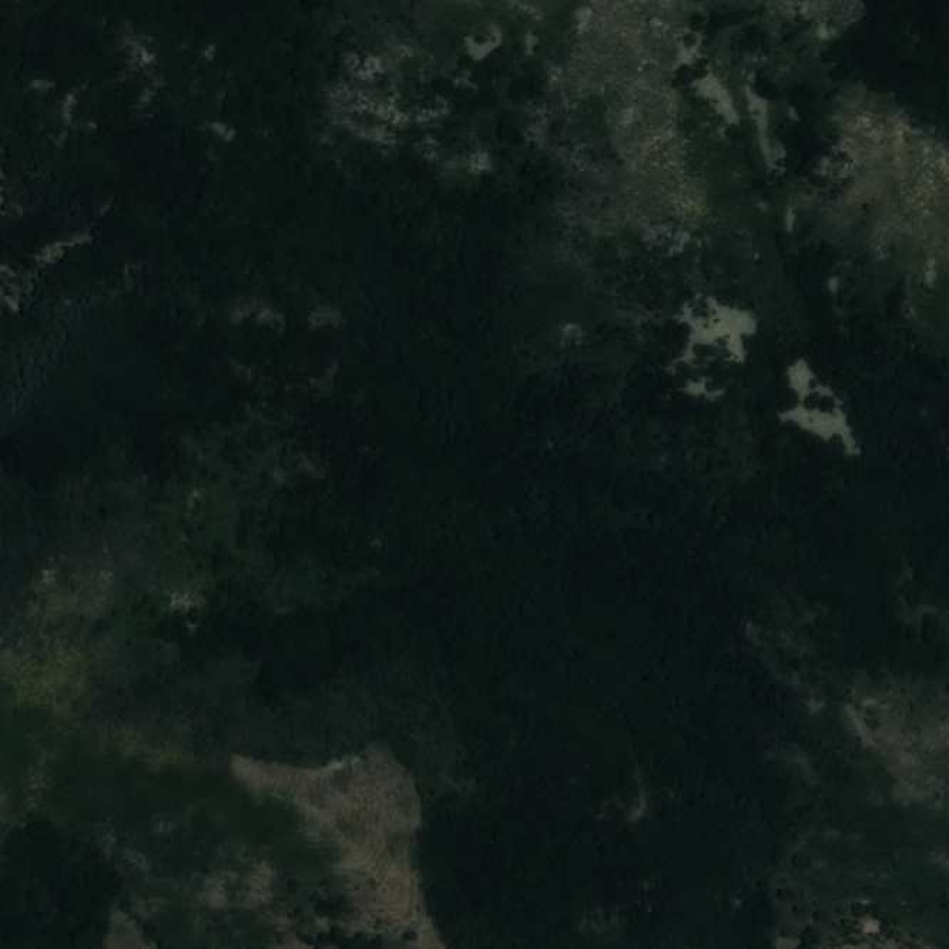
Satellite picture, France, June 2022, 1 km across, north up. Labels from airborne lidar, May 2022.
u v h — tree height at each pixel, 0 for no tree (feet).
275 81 68
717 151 0
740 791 52
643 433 24
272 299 44
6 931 62
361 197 45
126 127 60
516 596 60
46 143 52
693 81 33
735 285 25
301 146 40
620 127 0
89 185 94
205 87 51
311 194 59
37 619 0
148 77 21
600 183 0
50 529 21
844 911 31
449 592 73
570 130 0
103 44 52
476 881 52
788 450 37
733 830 76
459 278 58
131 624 0
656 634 75
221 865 0
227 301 23
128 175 61
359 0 0
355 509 21
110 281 36
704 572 68
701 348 20
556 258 0
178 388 48
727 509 29
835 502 48
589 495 65
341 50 23
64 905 45
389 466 58
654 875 32
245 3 80
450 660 39
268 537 23
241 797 0
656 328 34
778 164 37
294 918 34
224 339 45
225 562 28
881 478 77
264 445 32
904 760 0
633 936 28
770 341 43
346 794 0
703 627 71
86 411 54
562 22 0
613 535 52
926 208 0
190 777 0
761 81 39
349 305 47
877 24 62
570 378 33
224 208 27
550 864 47
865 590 65
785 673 25
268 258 48
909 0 55
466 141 24
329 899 22
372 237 46
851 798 0
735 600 34
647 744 52
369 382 47
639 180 0
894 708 0
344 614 73
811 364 34
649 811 25
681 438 30
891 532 71
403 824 0
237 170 53
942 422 47
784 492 43
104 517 35
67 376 44
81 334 49
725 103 0
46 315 76
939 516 75
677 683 71
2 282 40
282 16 75
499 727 24
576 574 54
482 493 72
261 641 57
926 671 23
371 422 75
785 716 24
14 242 84
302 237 34
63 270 63
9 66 58
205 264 65
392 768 0
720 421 23
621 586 43
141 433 43
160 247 62
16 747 0
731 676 43
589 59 0
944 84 52
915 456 58
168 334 60
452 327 53
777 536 54
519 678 55
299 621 61
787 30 22
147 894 0
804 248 35
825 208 0
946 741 0
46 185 79
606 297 26
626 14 0
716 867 58
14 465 35
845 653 32
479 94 41
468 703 28
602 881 39
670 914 60
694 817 68
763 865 22
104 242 61
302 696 24
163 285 32
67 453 52
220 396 36
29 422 43
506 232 31
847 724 0
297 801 0
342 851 0
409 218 25
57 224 71
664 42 0
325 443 35
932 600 59
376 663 28
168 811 0
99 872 63
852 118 0
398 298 40
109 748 0
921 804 0
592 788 32
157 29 41
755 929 77
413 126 24
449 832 48
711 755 76
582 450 35
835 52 29
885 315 24
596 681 27
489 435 43
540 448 45
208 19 71
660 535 33
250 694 23
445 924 30
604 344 18
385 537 31
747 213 0
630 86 0
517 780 25
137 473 24
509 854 66
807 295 39
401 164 39
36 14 33
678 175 0
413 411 51
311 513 33
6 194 50
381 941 20
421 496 52
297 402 48
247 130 59
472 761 27
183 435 21
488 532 63
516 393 22
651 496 37
